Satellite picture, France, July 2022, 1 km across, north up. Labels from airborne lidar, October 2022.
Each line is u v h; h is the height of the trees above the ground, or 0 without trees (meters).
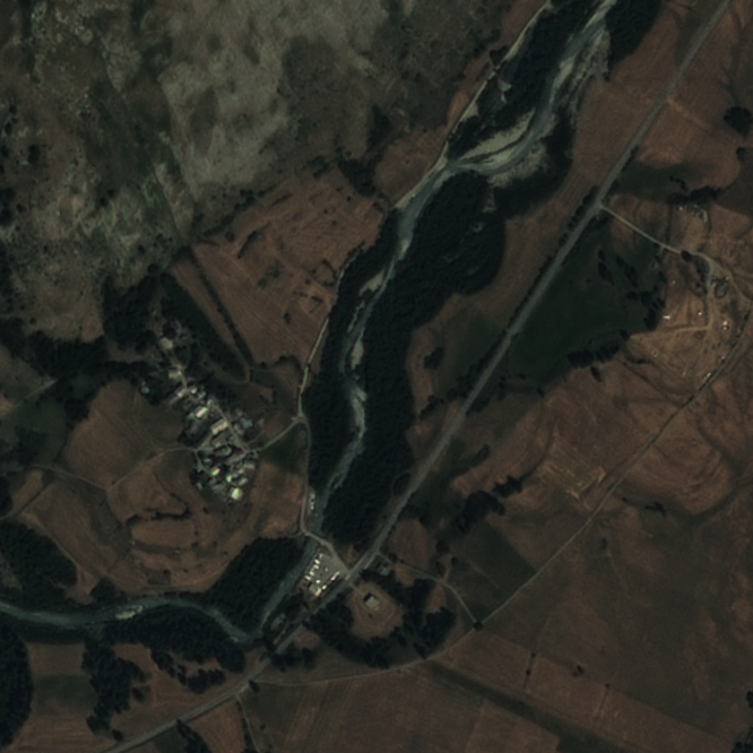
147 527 0
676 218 0
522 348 0
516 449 0
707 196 6
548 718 0
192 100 0
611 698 0
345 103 0
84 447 0
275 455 0
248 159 0
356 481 9
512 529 0
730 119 12
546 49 12
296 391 0
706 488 0
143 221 0
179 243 0
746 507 0
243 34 0
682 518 0
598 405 0
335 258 0
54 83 0
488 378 0
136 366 13
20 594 6
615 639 0
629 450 0
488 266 7
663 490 0
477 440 0
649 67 0
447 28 0
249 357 10
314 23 0
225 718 0
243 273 0
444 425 0
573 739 0
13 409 0
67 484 0
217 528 0
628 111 0
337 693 0
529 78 15
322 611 9
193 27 0
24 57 0
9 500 10
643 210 0
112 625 6
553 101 0
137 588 0
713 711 0
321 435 5
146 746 0
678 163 0
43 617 0
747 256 0
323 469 13
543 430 0
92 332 0
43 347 17
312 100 0
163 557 0
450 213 9
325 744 0
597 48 0
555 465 0
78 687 0
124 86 0
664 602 0
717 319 0
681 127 0
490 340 0
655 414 0
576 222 10
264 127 0
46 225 0
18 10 0
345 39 0
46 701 0
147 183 0
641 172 0
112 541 0
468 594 0
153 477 0
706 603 0
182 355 8
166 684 0
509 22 0
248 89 0
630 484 0
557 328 0
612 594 0
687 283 0
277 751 0
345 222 0
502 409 0
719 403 0
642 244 0
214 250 0
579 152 0
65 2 0
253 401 0
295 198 0
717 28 0
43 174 0
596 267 0
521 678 0
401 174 0
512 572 0
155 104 0
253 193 9
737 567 0
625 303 0
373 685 0
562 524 0
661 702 0
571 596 0
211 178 0
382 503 10
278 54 0
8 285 6
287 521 0
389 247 12
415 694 0
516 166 0
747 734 0
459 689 0
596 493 0
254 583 7
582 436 0
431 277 9
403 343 9
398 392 10
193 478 8
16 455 8
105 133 0
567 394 0
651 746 0
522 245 0
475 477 0
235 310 0
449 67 0
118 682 27
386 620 0
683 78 0
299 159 0
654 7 14
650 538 0
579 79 0
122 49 0
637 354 0
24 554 9
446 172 0
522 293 0
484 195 12
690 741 0
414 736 0
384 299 8
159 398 15
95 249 0
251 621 14
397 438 8
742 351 0
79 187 0
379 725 0
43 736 0
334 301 0
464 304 0
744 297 0
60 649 0
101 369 16
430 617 0
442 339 0
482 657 0
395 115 0
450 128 0
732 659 0
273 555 6
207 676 25
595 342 0
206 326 13
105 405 0
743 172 0
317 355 0
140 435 0
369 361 9
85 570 0
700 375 0
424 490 0
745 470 0
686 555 0
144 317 8
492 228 7
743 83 0
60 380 7
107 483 0
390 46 0
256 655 0
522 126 0
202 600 5
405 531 0
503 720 0
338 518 7
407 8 0
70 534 0
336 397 9
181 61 0
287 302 0
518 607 0
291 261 0
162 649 25
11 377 0
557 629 0
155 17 0
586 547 0
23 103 0
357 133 0
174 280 11
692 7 0
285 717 0
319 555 0
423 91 0
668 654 0
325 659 0
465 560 0
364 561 0
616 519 0
